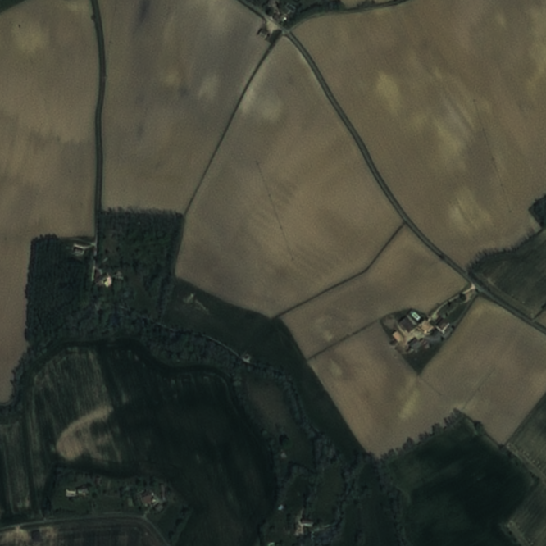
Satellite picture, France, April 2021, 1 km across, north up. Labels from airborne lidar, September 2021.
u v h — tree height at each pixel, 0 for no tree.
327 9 18
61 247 24
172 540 13
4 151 0
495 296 0
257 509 0
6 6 0
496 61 0
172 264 19
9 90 0
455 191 0
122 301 8
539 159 0
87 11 0
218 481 0
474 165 0
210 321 0
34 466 0
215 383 0
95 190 0
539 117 0
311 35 0
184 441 0
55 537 0
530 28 0
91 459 0
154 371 0
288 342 0
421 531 0
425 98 0
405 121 0
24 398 0
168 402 0
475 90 0
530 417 0
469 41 0
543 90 0
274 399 0
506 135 0
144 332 16
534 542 0
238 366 11
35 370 0
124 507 7
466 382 0
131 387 0
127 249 0
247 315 0
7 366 0
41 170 0
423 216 0
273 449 10
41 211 0
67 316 26
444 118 0
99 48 0
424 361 0
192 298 0
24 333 0
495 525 0
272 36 0
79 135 0
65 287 6
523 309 0
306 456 0
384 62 0
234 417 0
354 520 0
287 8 0
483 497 0
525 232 0
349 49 0
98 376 0
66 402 0
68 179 0
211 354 21
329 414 0
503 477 0
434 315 0
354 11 0
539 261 0
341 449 0
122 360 0
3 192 0
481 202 0
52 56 0
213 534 0
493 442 0
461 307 0
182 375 0
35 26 0
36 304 27
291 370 0
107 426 0
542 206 17
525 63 0
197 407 0
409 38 0
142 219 18
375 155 0
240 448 0
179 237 16
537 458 0
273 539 0
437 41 0
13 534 0
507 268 0
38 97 0
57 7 0
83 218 0
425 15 0
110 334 14
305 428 18
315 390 0
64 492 0
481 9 0
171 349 19
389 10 0
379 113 0
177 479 0
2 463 0
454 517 0
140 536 0
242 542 0
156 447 0
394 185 0
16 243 0
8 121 0
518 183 0
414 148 0
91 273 20
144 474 0
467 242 0
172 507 0
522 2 0
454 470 0
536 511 0
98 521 0
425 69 0
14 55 0
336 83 0
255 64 0
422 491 0
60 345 0
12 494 0
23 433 0
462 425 0
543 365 0
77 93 0
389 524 0
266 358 0
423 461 0
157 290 12
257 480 0
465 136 0
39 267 23
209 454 0
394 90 0
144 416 0
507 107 0
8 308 0
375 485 0
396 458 12
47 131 0
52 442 0
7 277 0
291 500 0
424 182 0
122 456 0
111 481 0
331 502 0
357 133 0
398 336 0
